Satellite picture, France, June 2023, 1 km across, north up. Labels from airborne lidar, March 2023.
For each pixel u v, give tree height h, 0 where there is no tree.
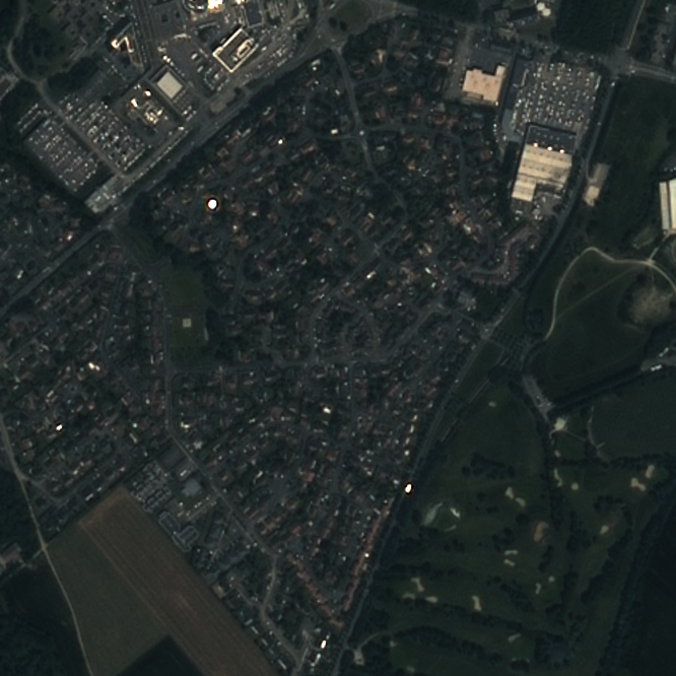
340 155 7
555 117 0
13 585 0
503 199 8
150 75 0
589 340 0
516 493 0
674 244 0
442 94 8
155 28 0
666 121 0
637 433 0
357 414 0
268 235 7
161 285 0
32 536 18
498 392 0
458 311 0
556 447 0
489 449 0
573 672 0
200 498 0
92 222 7
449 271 0
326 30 0
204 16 0
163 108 0
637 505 0
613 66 0
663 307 0
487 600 0
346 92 9
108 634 0
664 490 12
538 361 0
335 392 6
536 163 0
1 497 21
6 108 15
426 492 0
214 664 0
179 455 0
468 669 0
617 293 0
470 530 0
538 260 9
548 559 9
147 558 0
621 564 0
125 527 0
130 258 0
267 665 0
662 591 0
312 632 0
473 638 0
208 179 0
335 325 7
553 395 0
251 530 0
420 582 0
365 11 0
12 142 14
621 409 0
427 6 12
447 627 0
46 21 0
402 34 0
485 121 8
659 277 0
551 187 0
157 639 0
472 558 0
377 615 10
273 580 0
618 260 0
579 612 0
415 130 0
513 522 0
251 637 0
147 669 0
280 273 0
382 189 12
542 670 0
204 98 0
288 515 6
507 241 0
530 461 0
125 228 0
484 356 0
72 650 0
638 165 0
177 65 0
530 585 0
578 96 0
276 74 0
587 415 8
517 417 0
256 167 0
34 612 0
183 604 0
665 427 0
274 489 0
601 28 14
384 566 12
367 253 0
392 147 10
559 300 0
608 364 0
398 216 10
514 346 6
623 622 14
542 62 0
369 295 7
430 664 0
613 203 0
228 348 12
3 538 22
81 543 0
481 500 11
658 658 0
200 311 0
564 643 7
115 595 0
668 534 0
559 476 0
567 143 0
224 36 0
